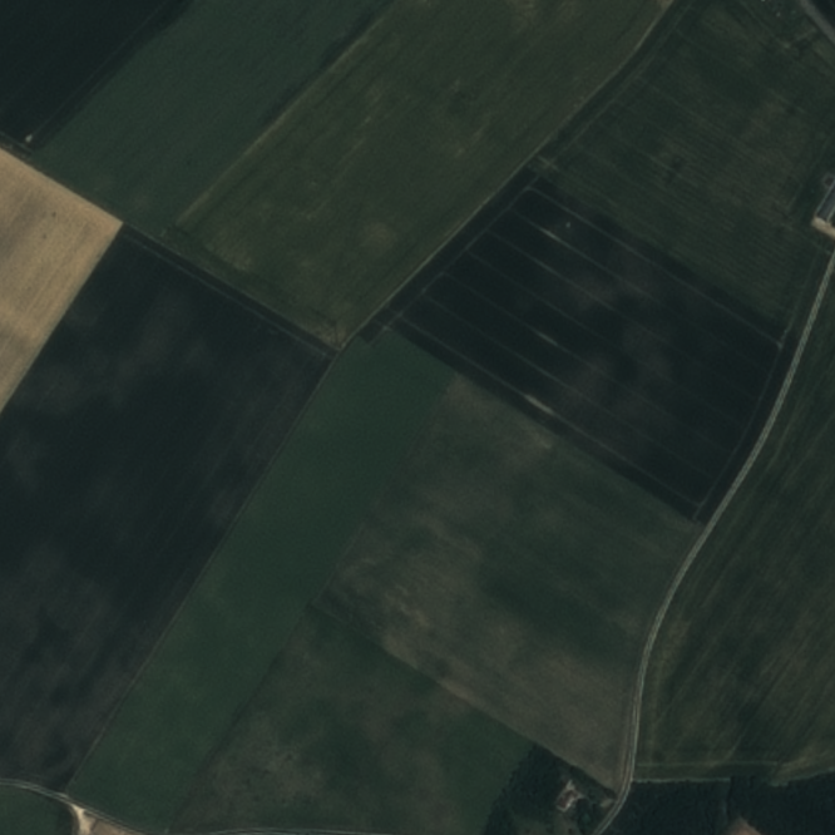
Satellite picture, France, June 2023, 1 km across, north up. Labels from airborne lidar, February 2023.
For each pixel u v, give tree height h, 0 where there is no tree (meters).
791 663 0
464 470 0
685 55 0
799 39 0
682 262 0
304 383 0
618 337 0
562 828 0
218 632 0
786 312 0
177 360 0
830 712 0
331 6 0
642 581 0
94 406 0
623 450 0
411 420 0
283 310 0
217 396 0
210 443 0
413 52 0
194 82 0
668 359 0
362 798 0
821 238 0
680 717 0
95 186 0
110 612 0
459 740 0
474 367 0
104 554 0
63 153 0
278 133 0
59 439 0
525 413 0
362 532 0
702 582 0
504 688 0
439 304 0
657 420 0
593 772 0
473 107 0
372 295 0
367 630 0
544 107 0
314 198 0
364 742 0
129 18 0
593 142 0
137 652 0
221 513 0
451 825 0
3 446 0
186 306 0
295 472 0
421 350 0
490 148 0
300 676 0
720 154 0
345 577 0
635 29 0
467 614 0
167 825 0
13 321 0
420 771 0
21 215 0
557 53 0
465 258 0
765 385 0
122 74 0
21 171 0
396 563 0
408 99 0
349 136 0
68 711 0
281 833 0
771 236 0
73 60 0
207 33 0
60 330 0
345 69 0
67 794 0
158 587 0
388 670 0
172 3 0
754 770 0
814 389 0
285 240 0
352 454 0
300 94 0
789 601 0
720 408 0
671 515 0
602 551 0
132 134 0
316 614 0
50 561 0
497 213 0
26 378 0
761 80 0
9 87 0
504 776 0
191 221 0
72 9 0
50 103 0
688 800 11
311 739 0
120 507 0
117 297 0
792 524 0
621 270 0
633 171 0
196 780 0
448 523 0
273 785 0
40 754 0
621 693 0
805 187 0
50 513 0
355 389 0
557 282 0
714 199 0
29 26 0
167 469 0
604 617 0
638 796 7
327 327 0
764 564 0
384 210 0
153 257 0
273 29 0
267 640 0
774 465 0
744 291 0
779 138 0
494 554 0
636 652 0
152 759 0
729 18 0
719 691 0
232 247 0
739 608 0
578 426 0
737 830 0
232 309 0
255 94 0
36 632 0
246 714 0
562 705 0
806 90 0
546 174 0
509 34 0
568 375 0
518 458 0
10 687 0
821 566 0
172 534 0
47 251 0
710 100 0
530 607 0
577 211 0
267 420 0
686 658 0
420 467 0
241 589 0
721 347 0
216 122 0
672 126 0
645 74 0
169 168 0
